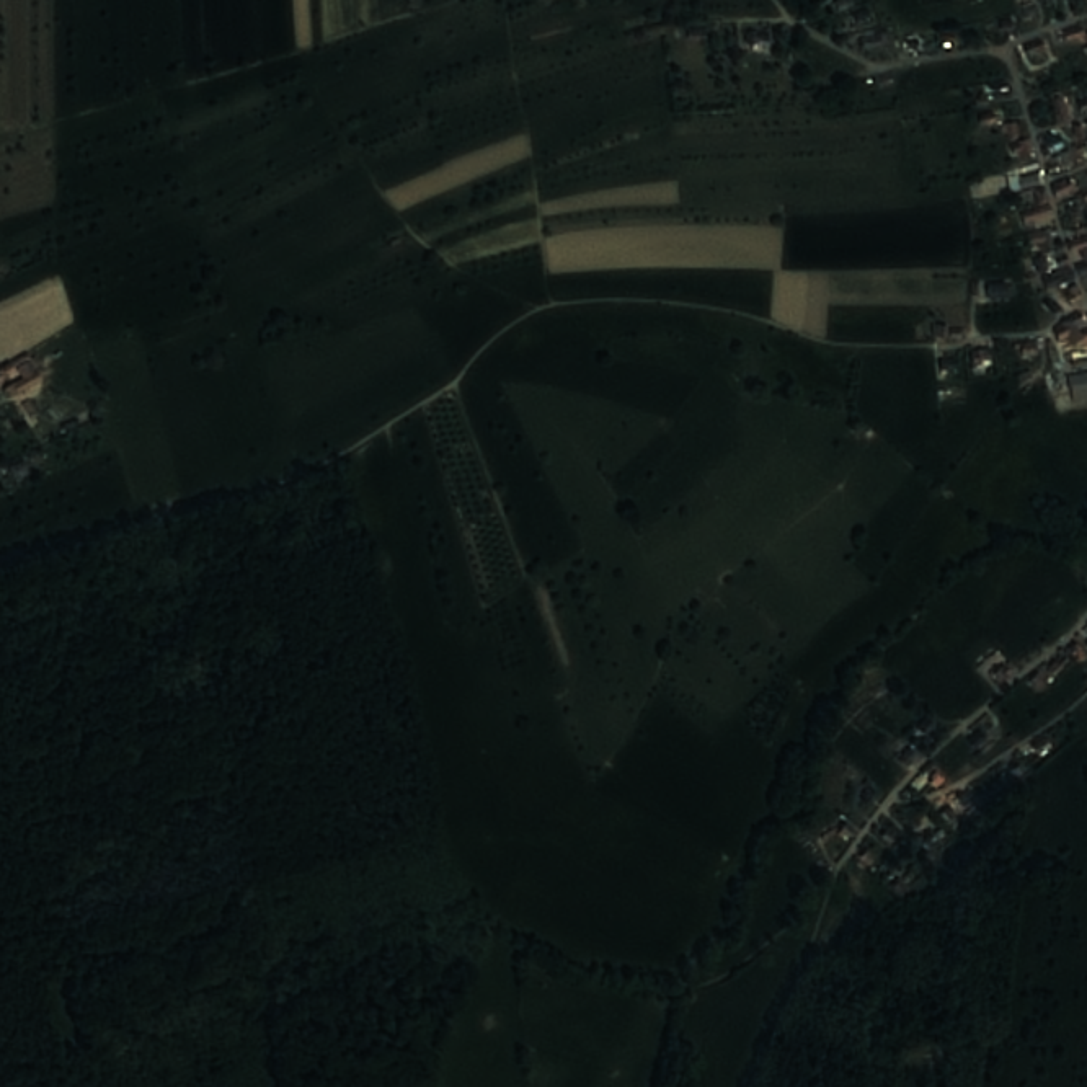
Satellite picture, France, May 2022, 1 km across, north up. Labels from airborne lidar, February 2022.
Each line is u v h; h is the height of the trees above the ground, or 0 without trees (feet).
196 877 86
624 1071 0
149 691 71
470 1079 0
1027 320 0
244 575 95
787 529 0
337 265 0
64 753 90
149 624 0
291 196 0
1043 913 0
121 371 0
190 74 0
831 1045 60
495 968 0
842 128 0
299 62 0
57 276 0
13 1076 90
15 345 0
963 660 0
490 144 0
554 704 0
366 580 89
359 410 0
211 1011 69
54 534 0
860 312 0
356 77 0
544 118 0
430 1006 92
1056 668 0
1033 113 27
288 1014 109
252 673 89
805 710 0
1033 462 0
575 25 0
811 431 0
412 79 0
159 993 81
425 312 0
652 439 0
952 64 0
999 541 94
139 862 80
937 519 0
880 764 0
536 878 0
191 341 0
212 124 0
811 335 0
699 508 0
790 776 64
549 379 0
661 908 0
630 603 0
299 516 88
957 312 0
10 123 0
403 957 96
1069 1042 0
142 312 0
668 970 0
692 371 0
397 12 0
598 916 0
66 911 73
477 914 52
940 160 0
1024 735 0
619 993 31
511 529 0
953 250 0
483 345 0
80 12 0
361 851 104
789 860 0
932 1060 0
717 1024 0
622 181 0
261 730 97
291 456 0
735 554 0
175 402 0
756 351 0
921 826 0
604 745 0
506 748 0
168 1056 41
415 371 0
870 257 0
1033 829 0
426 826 79
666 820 0
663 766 0
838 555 0
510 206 0
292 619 94
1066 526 78
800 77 60
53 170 0
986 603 0
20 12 0
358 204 0
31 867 98
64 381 0
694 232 0
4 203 0
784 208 0
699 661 0
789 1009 77
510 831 0
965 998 75
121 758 93
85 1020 87
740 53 48
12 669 79
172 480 0
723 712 0
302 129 0
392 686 97
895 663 0
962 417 0
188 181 0
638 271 0
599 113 0
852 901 0
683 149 0
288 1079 106
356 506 79
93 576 89
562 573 0
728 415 0
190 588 70
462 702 0
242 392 0
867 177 0
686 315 0
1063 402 0
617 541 0
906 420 0
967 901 80
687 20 22
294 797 106
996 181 0
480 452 0
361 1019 120
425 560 0
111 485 0
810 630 0
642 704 0
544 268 0
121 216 0
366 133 0
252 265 0
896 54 0
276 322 48
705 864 0
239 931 77
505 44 0
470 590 0
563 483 0
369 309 0
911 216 0
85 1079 90
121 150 0
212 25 0
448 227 0
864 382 0
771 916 0
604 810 0
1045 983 0
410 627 0
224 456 0
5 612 71
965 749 0
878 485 0
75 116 0
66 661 91
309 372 0
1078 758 0
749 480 0
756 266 0
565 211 0
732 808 0
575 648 0
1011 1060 0
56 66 0
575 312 0
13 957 82
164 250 0
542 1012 0
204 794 77
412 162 0
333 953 85
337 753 106
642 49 0
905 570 0
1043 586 0
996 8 0
